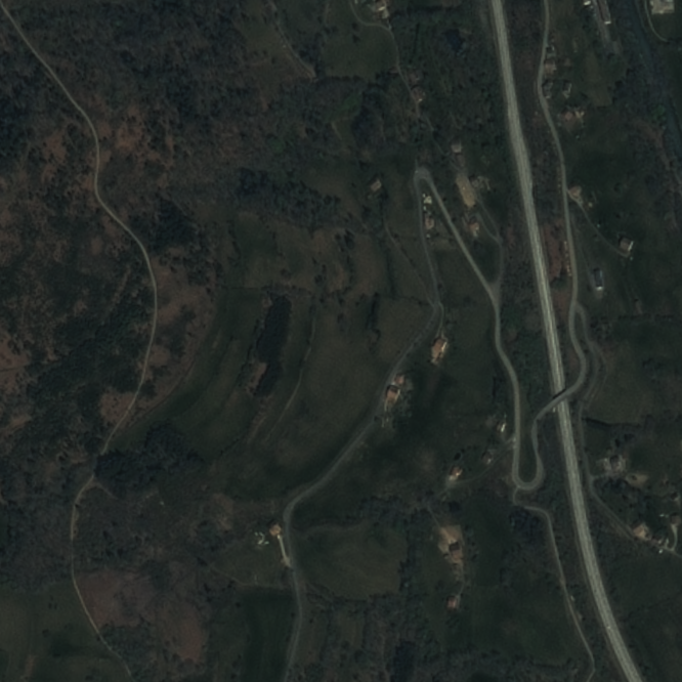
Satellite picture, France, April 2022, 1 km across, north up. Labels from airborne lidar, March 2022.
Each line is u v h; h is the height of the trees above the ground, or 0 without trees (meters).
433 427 0
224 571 0
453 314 0
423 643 17
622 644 0
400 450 0
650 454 0
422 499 0
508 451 0
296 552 0
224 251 0
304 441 0
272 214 18
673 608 0
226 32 25
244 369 7
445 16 23
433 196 0
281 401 0
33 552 26
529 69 0
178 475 21
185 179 17
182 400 0
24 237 8
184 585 0
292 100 20
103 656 0
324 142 21
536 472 0
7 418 13
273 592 0
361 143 24
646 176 0
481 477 0
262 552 0
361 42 17
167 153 14
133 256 6
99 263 0
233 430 0
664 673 0
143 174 14
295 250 0
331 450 0
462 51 13
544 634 0
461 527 0
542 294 0
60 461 7
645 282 0
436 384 0
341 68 0
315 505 0
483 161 0
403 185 0
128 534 15
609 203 0
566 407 0
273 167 29
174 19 24
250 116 13
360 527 0
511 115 0
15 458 6
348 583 0
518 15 17
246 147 8
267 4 18
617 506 0
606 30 0
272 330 17
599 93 0
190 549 10
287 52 0
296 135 9
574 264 0
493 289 0
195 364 0
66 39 16
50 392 10
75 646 0
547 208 20
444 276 0
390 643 7
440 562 0
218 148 11
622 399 0
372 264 0
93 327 9
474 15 9
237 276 0
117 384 6
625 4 19
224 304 0
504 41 0
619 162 0
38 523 24
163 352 0
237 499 8
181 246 7
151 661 18
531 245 0
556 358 0
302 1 0
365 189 0
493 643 0
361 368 0
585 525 0
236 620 0
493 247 0
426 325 0
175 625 0
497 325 0
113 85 6
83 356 13
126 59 18
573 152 0
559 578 0
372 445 0
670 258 0
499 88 9
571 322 0
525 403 0
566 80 0
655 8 0
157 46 40
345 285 0
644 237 0
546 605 0
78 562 13
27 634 0
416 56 9
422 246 0
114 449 0
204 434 0
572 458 0
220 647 0
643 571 0
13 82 16
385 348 0
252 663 0
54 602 10
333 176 0
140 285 9
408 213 0
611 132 0
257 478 0
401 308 0
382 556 0
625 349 0
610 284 0
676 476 0
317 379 0
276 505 0
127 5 15
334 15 0
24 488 24
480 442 0
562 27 0
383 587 0
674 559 0
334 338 0
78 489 23
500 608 0
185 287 0
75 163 8
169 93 17
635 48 19
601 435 0
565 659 0
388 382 0
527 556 19
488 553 0
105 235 0
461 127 13
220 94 17
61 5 9
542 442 12
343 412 0
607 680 0
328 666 20
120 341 7
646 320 8
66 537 19
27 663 0
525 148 0
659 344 0
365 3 0
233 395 0
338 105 31
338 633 9
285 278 15
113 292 6
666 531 6
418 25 19
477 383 0
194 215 8
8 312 6
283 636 0
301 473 0
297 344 0
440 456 0
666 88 20
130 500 21
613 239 0
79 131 10
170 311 0
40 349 10
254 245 0
